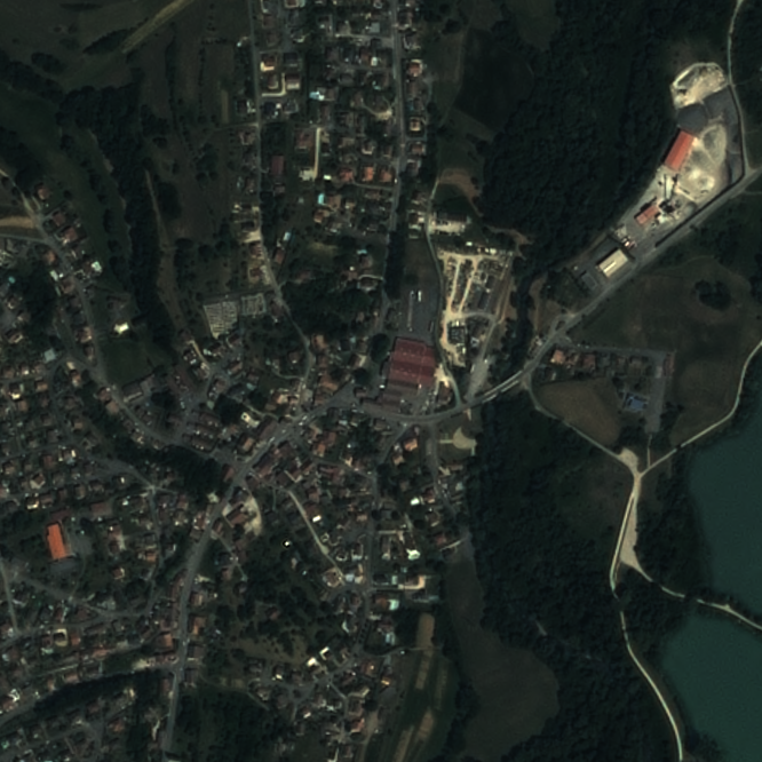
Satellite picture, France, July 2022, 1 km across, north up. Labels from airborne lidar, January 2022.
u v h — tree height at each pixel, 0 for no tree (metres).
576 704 13
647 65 21
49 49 0
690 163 0
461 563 0
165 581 19
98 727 0
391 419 0
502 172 6
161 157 0
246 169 5
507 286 0
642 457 0
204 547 0
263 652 0
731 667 0
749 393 12
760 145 0
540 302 0
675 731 0
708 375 0
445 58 0
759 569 0
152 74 0
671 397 0
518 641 22
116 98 25
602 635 21
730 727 0
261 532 0
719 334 0
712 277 0
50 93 11
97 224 0
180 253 10
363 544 0
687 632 0
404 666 0
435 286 0
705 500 0
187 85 0
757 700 0
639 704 10
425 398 0
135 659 0
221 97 0
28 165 22
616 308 0
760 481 0
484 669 0
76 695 19
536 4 0
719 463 0
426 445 0
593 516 0
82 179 0
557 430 10
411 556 0
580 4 18
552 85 9
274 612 0
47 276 8
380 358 20
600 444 0
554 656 13
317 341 0
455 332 0
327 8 6
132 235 11
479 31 0
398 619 7
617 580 0
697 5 21
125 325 0
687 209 0
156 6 0
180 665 0
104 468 0
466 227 0
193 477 9
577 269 0
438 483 0
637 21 9
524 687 0
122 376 0
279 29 0
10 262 0
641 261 0
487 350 0
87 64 0
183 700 8
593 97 6
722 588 0
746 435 0
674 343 0
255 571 7
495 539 12
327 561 0
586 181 23
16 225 0
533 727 0
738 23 7
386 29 0
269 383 0
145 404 0
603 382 0
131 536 0
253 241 0
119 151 24
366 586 0
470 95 0
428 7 9
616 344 0
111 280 0
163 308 15
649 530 7
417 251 0
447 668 0
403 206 7
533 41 0
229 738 10
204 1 0
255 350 0
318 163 0
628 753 19
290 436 0
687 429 0
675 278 0
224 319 0
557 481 0
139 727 5
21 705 0
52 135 0
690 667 0
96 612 0
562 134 12
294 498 0
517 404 9
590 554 12
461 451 0
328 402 0
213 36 0
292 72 0
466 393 0
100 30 0
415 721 0
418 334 0
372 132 10
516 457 13
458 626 0
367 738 0
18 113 0
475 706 15
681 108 0
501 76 0
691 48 0
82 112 20
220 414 6
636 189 14
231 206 0
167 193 7
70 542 0
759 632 7
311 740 0
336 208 0
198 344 6
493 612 15
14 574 0
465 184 0
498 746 0
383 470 15
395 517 19
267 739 8
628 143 20
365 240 0
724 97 0
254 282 0
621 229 0
